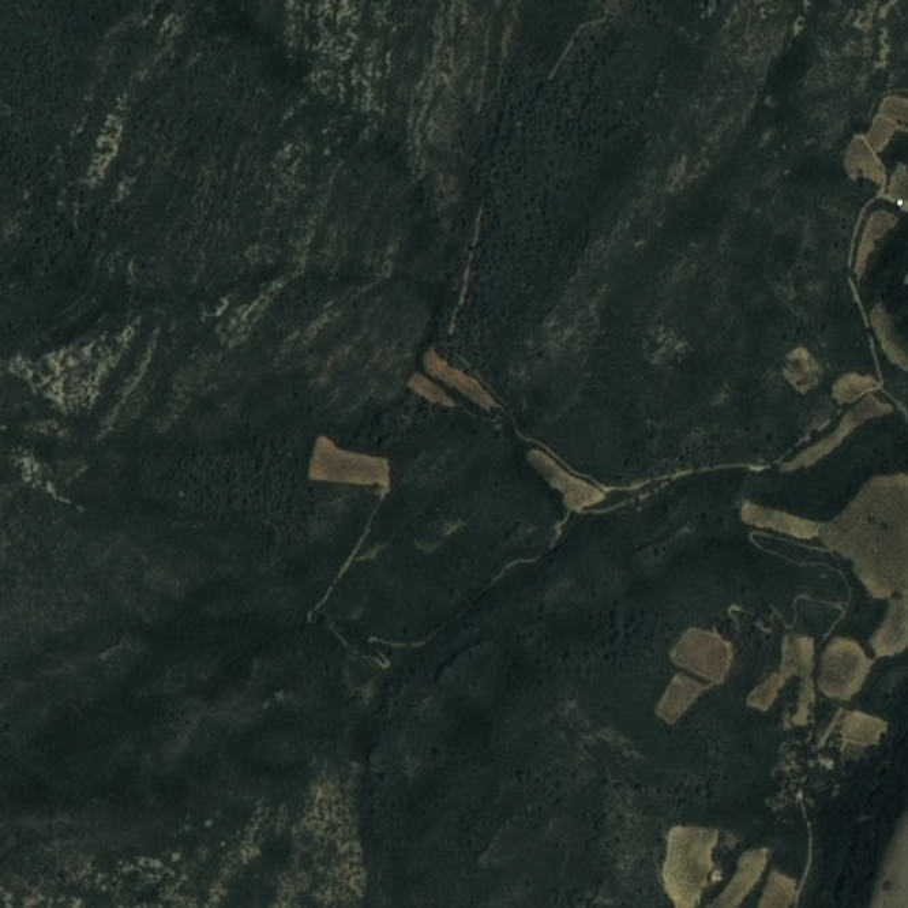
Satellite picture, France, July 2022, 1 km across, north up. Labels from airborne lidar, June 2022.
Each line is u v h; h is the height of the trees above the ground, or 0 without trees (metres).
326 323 0
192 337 0
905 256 13
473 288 8
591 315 0
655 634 7
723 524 11
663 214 0
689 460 12
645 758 0
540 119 9
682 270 0
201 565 0
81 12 6
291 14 0
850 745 0
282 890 0
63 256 15
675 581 0
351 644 9
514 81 8
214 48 6
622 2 7
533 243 8
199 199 8
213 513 8
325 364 0
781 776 11
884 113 0
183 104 8
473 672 0
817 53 0
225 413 0
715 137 0
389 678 11
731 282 0
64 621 0
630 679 0
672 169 0
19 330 6
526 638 10
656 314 0
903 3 0
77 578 0
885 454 8
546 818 0
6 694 0
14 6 5
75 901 0
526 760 0
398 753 0
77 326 6
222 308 0
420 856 0
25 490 0
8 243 7
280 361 0
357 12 0
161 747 0
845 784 7
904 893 0
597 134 11
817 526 0
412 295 0
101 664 0
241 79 7
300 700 0
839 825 12
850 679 0
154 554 0
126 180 0
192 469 12
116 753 0
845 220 9
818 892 8
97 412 0
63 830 0
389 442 13
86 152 8
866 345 6
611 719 0
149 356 0
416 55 0
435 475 0
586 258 0
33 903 0
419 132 0
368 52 0
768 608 8
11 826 0
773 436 13
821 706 9
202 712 0
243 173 6
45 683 0
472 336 9
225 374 0
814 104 0
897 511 0
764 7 0
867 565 0
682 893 0
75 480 0
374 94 0
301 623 6
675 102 0
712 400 0
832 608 0
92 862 0
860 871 27
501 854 0
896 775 20
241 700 0
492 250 10
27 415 10
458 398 12
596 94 13
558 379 0
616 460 0
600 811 7
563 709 0
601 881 10
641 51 0
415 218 10
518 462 8
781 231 0
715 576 0
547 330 0
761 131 0
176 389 0
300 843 0
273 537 12
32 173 13
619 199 0
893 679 0
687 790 10
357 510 0
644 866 7
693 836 0
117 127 0
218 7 6
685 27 0
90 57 0
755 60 0
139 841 0
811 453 0
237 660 6
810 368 0
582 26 0
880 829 22
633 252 0
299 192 0
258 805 0
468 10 0
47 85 7
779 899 0
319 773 0
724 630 14
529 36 0
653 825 0
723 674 0
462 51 0
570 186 6
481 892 0
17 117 7
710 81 0
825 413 0
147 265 9
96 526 0
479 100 0
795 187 0
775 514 0
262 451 11
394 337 0
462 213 10
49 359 0
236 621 6
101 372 0
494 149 10
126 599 0
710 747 6
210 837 0
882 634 0
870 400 0
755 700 0
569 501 0
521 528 12
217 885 0
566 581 0
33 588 0
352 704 10
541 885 0
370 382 0
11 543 0
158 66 0
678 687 0
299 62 7
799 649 0
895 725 11
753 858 0
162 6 7
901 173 0
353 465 0
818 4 7
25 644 0
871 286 10
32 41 6
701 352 0
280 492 9
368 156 13
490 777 0
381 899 0
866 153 0
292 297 9
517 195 11
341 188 0
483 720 0
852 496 7
